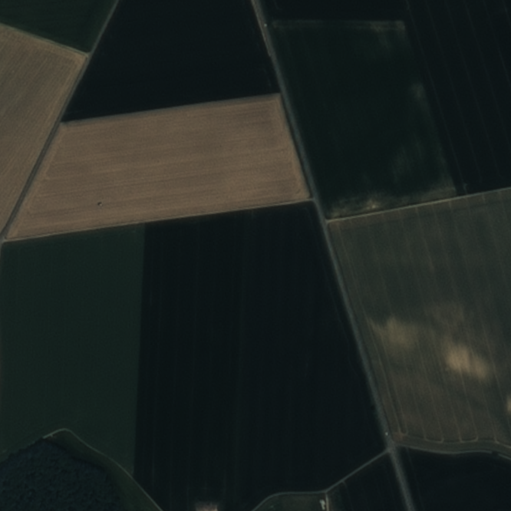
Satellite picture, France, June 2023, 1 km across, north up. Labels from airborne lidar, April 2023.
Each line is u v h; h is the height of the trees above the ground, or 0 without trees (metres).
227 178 0
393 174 0
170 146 0
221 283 0
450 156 0
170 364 0
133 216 0
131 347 0
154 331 0
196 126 0
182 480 0
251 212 0
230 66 0
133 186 0
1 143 0
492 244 0
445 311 0
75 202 0
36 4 0
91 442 0
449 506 0
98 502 25
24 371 0
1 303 0
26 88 0
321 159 0
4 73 0
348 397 0
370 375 0
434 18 0
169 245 0
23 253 0
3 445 0
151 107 0
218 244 0
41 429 0
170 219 0
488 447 0
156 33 0
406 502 0
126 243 0
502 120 0
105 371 0
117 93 0
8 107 0
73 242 0
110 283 0
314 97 0
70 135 0
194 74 0
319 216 0
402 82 0
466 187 0
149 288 0
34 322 0
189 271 0
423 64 0
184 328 0
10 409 0
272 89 0
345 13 0
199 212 0
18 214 0
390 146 0
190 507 0
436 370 0
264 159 0
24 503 25
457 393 0
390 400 0
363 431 0
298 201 0
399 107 0
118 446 0
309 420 0
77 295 0
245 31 0
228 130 0
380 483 0
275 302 0
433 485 0
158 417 0
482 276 0
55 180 0
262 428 0
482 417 0
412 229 0
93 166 0
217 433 0
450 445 0
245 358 0
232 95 0
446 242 0
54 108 0
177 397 0
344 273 0
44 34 0
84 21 0
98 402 0
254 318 0
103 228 0
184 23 0
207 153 0
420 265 0
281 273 0
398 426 0
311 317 0
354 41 0
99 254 0
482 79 0
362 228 0
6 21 0
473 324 0
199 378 0
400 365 0
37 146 0
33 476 22
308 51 0
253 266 0
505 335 0
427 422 0
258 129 0
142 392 0
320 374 0
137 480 0
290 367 0
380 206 0
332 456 0
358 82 0
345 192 0
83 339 0
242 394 0
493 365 0
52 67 0
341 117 0
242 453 0
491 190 0
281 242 0
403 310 0
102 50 0
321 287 0
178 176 0
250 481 0
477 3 0
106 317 0
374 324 0
